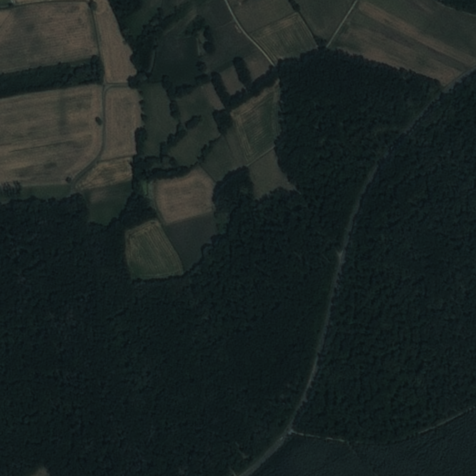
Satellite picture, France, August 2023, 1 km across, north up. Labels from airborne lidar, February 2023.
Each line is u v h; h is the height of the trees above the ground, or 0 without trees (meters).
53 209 21
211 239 0
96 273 25
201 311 22
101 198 0
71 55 0
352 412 27
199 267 16
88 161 0
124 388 25
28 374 24
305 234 27
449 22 0
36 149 0
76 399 23
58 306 25
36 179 0
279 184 0
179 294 17
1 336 23
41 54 0
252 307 28
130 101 0
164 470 26
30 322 24
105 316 23
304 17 0
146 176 16
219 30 0
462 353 24
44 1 0
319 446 9
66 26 0
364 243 25
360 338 26
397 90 25
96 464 23
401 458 12
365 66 25
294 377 18
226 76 0
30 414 24
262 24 0
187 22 0
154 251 0
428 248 21
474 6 22
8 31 0
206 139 0
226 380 27
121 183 0
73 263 27
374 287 24
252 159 0
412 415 25
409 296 21
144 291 18
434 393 22
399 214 25
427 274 22
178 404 24
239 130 0
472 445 12
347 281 23
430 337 18
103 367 22
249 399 26
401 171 29
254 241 23
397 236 25
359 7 0
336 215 19
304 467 8
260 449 22
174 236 0
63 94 0
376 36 0
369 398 22
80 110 0
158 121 0
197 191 0
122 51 0
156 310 24
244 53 0
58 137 0
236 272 30
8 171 0
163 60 0
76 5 0
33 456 24
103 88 0
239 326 28
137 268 0
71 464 20
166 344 21
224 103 12
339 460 11
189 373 22
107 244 16
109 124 0
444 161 24
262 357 30
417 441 14
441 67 0
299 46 0
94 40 0
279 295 30
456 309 26
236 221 25
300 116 16
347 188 24
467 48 0
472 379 21
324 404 23
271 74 16
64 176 0
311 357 18
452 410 18
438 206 23
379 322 25
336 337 19
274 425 24
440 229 26
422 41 0
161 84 0
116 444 18
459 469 13
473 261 26
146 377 25
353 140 15
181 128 11
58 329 22
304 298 27
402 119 23
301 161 22
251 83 24
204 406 23
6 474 23
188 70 0
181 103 0
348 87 24
